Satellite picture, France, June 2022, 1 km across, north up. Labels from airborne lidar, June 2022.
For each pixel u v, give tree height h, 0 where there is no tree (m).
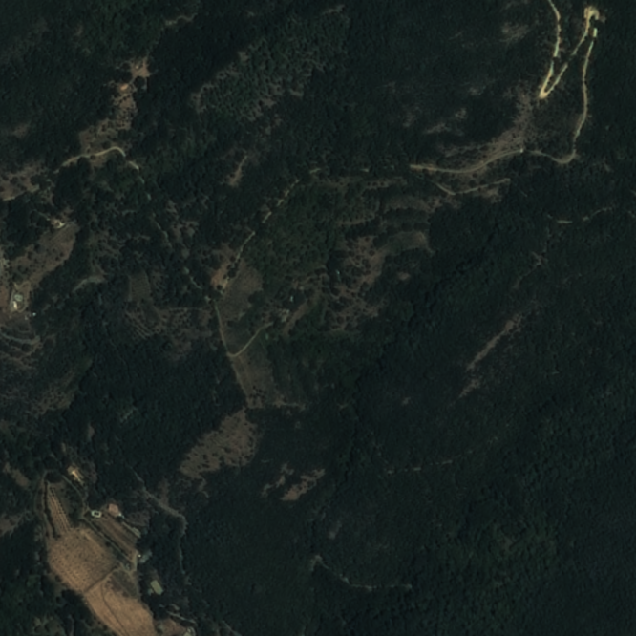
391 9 8
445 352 7
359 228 11
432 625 14
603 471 14
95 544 0
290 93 7
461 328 7
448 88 10
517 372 11
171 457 6
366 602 16
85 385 20
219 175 10
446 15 6
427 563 12
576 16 7
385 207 9
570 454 21
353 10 15
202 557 9
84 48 11
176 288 10
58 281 8
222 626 11
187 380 9
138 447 10
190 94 11
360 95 10
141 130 10
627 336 14
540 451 20
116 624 0
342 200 9
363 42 15
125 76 12
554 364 15
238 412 6
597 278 12
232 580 6
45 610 15
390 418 8
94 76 16
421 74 6
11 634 10
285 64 12
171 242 11
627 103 8
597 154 6
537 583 8
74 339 7
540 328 14
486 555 14
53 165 13
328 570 13
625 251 10
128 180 9
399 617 15
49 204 8
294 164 14
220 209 12
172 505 8
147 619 0
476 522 19
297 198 9
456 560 12
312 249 9
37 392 8
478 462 13
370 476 12
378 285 10
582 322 16
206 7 16
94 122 7
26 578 17
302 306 11
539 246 8
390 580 12
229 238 9
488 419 6
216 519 8
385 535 9
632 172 12
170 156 6
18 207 20
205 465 6
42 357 6
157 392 12
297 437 6
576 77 11
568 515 15
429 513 9
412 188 7
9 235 10
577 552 13
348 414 16
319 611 14
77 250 11
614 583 6
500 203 8
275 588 7
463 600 8
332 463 8
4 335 8
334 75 13
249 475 6
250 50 10
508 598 11
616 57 10
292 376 7
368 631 21
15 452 18
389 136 11
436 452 10
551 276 8
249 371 0
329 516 6
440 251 9
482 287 8
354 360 8
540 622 7
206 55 16
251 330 6
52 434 14
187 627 11
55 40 12
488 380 11
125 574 0
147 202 9
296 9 11
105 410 12
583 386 14
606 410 11
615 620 10
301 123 6
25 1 9
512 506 21
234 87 9
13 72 18
